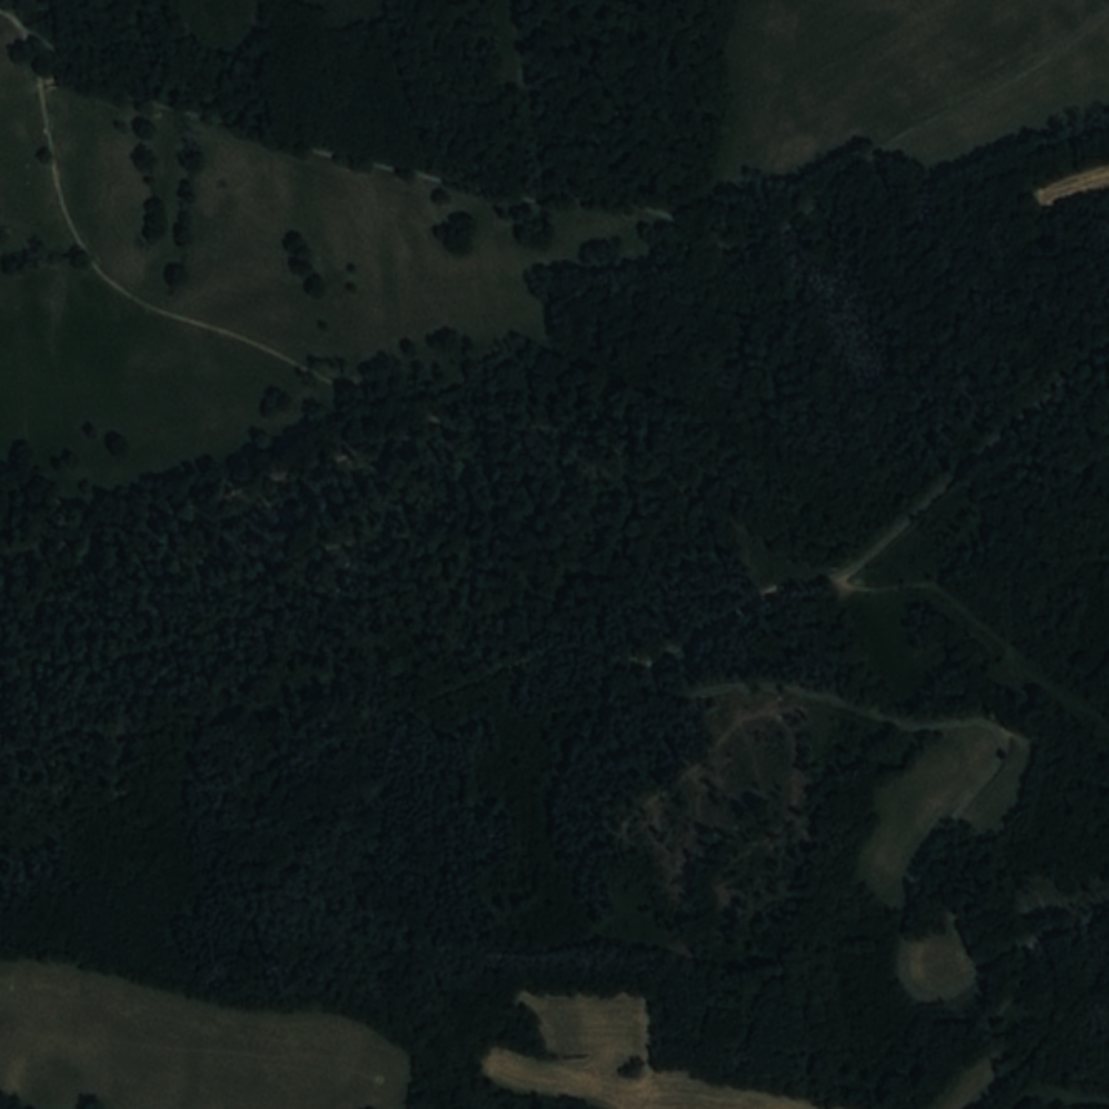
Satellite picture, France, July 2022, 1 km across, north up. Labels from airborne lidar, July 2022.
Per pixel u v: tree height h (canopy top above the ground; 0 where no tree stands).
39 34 13
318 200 0
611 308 27
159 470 0
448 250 15
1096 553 10
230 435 0
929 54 0
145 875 11
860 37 0
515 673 6
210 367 0
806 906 20
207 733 22
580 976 21
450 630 25
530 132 8
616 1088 0
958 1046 22
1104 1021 12
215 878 21
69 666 18
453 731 7
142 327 0
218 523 28
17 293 0
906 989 18
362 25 10
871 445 21
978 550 14
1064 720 17
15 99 0
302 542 30
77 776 21
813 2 0
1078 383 23
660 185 22
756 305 10
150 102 12
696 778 0
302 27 15
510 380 16
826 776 13
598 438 23
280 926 21
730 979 20
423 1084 13
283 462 27
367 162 12
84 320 0
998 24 0
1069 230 26
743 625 27
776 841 17
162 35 21
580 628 24
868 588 0
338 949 25
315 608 18
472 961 22
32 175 0
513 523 26
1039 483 16
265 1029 0
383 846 27
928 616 21
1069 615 17
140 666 22
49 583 8
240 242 0
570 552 27
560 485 26
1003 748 0
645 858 10
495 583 22
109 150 0
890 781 15
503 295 0
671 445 26
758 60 0
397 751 31
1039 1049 14
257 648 21
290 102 15
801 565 19
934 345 25
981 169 19
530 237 15
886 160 22
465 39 19
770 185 25
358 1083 0
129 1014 0
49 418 0
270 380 0
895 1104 21
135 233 0
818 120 0
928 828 0
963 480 22
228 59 19
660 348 27
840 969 9
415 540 9
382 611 23
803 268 28
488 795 9
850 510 13
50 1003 0
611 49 22
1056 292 25
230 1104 0
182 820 13
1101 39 0
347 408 18
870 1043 15
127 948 11
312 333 0
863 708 17
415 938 26
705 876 23
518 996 11
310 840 29
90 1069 0
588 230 0
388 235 0
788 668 19
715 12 22
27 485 15
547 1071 0
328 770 24
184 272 13
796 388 28
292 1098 0
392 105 15
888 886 0
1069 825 7
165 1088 0
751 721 0
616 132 22
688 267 23
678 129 21
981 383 25
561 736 11
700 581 30
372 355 0
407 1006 22
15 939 10
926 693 11
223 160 0
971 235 23
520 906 23
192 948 26
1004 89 0
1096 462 20
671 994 16
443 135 19
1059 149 21
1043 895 0
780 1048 16
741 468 22
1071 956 16
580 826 32
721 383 25
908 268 26
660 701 25
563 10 23
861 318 23
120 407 0
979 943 23
